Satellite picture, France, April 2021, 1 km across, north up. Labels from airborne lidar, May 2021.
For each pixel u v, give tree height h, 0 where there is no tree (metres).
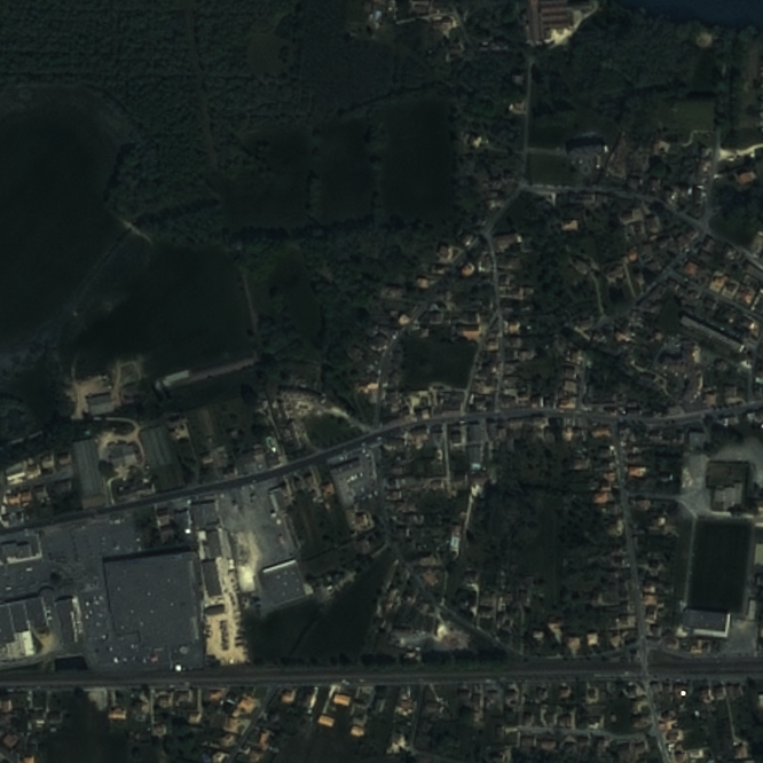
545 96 9
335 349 17
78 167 0
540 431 9
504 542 15
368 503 14
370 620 0
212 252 0
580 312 6
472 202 17
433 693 0
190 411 0
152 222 21
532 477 0
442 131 0
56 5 10
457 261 0
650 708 0
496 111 21
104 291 0
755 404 0
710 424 12
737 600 0
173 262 0
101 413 0
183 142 13
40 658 0
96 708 0
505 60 19
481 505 12
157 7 12
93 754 0
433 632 0
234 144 15
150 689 7
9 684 0
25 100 0
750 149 0
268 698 0
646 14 24
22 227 0
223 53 9
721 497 0
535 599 7
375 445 0
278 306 14
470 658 16
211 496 0
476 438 0
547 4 0
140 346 0
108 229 0
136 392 0
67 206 0
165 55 10
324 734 0
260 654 0
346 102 12
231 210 0
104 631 0
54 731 0
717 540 0
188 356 0
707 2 0
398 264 30
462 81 10
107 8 10
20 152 0
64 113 0
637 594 0
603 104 13
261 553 0
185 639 0
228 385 0
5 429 10
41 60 11
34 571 0
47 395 0
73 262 0
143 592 0
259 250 22
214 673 13
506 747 0
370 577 0
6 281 0
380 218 17
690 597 0
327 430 0
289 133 0
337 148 0
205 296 0
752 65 0
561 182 0
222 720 0
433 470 0
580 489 0
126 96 13
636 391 13
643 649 0
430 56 10
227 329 0
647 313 7
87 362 0
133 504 0
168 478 0
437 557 6
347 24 8
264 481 0
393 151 0
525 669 0
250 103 11
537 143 0
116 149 0
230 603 0
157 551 0
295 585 0
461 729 0
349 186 0
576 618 18
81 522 0
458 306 7
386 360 0
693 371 0
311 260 22
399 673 0
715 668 0
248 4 13
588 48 9
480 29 10
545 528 0
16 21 7
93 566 0
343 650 0
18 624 0
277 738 11
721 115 14
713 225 0
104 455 0
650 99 16
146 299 0
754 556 0
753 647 0
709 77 0
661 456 9
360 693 0
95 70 12
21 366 14
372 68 13
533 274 10
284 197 0
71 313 0
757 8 0
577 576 14
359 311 8
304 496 9
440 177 0
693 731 0
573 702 7
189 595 0
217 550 0
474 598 7
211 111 10
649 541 6
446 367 0
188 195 14
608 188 7
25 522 0
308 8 12
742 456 0
